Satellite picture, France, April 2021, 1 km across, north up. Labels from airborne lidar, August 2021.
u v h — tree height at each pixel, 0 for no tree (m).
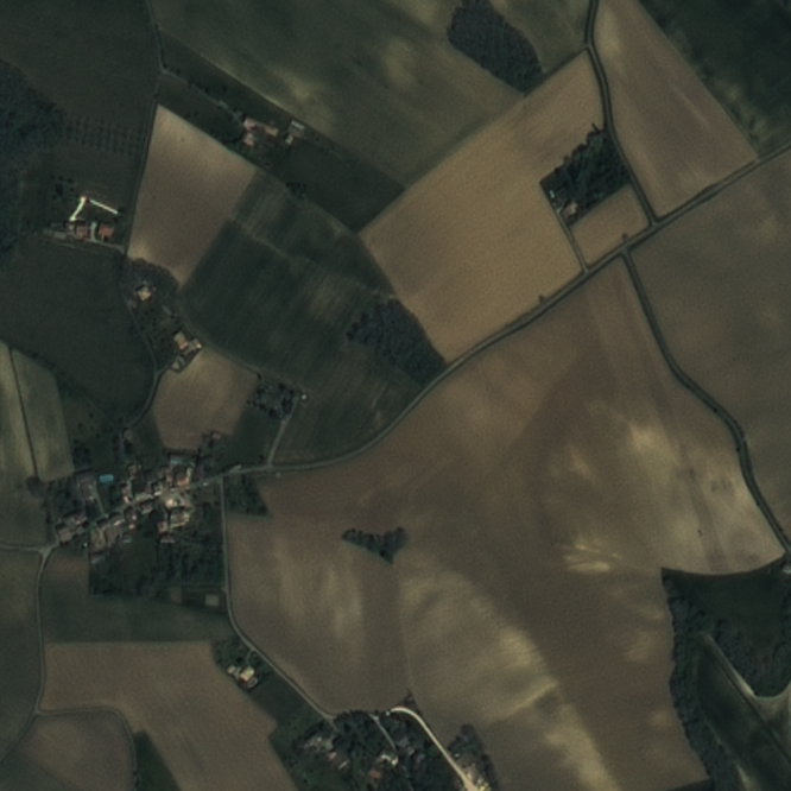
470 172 0
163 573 11
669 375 0
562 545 0
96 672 0
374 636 0
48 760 0
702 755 17
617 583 0
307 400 0
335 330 0
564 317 0
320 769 0
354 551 0
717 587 0
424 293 0
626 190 0
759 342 0
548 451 0
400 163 0
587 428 0
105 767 0
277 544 0
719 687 0
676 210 0
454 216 0
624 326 0
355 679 0
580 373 0
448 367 11
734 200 0
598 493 0
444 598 0
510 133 0
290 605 0
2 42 0
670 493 0
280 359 0
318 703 0
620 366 0
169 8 0
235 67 0
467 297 0
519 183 0
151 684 0
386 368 0
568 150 0
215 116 0
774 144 0
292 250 0
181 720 0
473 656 0
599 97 0
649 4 0
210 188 0
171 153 0
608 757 0
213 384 0
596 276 0
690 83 0
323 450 0
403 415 0
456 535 0
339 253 0
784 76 0
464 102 0
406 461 0
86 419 0
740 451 7
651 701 0
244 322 0
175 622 0
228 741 0
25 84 13
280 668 0
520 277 0
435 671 0
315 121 0
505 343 0
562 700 0
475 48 15
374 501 0
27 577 0
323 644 0
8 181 14
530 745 0
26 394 0
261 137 12
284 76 0
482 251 0
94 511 11
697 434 0
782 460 0
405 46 0
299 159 0
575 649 0
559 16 0
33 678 0
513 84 15
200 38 0
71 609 0
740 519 0
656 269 0
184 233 0
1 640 0
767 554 0
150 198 0
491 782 13
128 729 0
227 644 0
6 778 0
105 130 10
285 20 0
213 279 0
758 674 15
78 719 0
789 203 0
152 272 15
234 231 0
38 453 0
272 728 0
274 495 0
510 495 0
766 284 0
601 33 0
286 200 0
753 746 0
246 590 0
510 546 0
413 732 11
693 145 0
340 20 0
